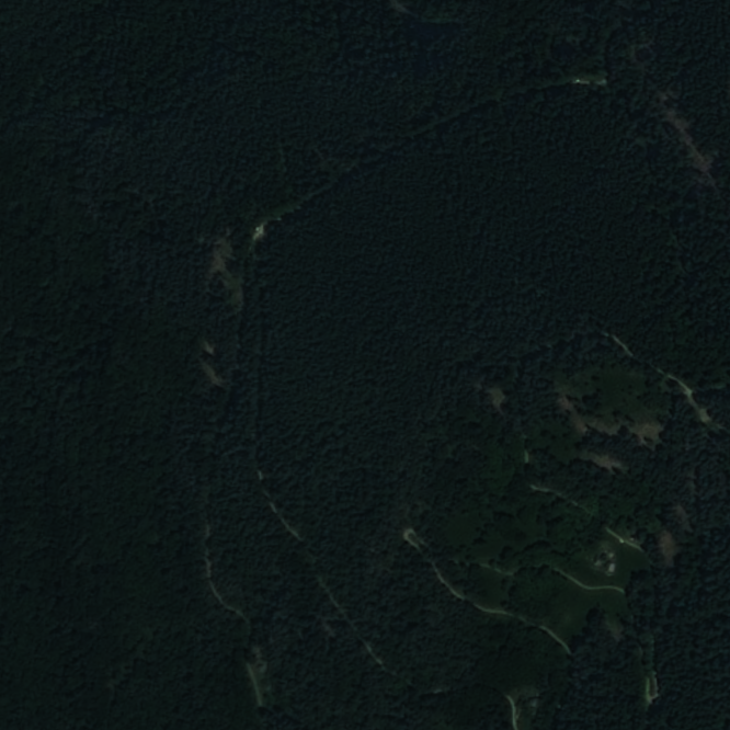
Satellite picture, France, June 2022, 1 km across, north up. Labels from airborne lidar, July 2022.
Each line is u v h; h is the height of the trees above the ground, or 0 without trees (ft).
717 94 88
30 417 73
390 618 36
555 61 27
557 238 72
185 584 78
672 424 42
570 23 82
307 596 79
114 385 74
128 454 79
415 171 74
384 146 100
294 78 71
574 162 68
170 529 69
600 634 98
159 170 97
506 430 66
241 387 77
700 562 61
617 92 38
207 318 105
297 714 87
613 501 56
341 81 84
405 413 87
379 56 99
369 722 77
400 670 69
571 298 76
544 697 36
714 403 92
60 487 91
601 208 78
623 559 0
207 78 54
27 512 86
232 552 67
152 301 91
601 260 103
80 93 59
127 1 78
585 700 85
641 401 35
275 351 71
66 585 83
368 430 91
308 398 72
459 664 89
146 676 45
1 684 82
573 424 67
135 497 64
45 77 57
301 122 95
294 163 75
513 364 103
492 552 0
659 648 50
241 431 68
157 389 87
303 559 72
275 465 86
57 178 88
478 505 52
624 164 78
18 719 55
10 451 77
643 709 47
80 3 53
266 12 89
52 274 81
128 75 100
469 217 71
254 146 88
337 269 72
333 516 75
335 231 80
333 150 88
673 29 95
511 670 80
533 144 79
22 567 76
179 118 66
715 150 89
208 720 78
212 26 75
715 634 105
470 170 75
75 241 74
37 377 115
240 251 91
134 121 73
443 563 68
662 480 119
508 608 49
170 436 87
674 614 81
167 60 68
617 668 71
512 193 83
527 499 73
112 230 82
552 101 96
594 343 89
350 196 79
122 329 102
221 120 85
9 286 83
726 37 85
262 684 24
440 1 73
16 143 66
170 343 39
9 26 79
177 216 88
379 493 69
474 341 106
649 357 94
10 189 44
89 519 64
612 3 91
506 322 100
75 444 103
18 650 80
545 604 75
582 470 57
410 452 85
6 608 66
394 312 77
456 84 82
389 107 93
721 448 62
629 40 73
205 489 79
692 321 80
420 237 74
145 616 46
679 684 64
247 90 81
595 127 89
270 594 88
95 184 80
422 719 67
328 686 79
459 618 74
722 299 63
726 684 80
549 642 63
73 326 83
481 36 100
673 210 61
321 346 65
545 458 66
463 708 92
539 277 94
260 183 67
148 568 68
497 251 67
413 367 90
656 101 117
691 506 102
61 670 79
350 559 54
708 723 70
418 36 85
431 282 73
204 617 57
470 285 72
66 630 87
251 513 29
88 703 75
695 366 80
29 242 80
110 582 69
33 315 37
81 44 80
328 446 76
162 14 74
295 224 85
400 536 21
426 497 63
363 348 77
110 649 57
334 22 103
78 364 90
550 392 89
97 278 88
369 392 96
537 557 68
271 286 52
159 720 64
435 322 94
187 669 67
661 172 89
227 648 76
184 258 115
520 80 97
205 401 81
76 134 83
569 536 65
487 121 71
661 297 82
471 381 105
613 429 0
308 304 69
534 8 102
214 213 74
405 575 47
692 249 76
